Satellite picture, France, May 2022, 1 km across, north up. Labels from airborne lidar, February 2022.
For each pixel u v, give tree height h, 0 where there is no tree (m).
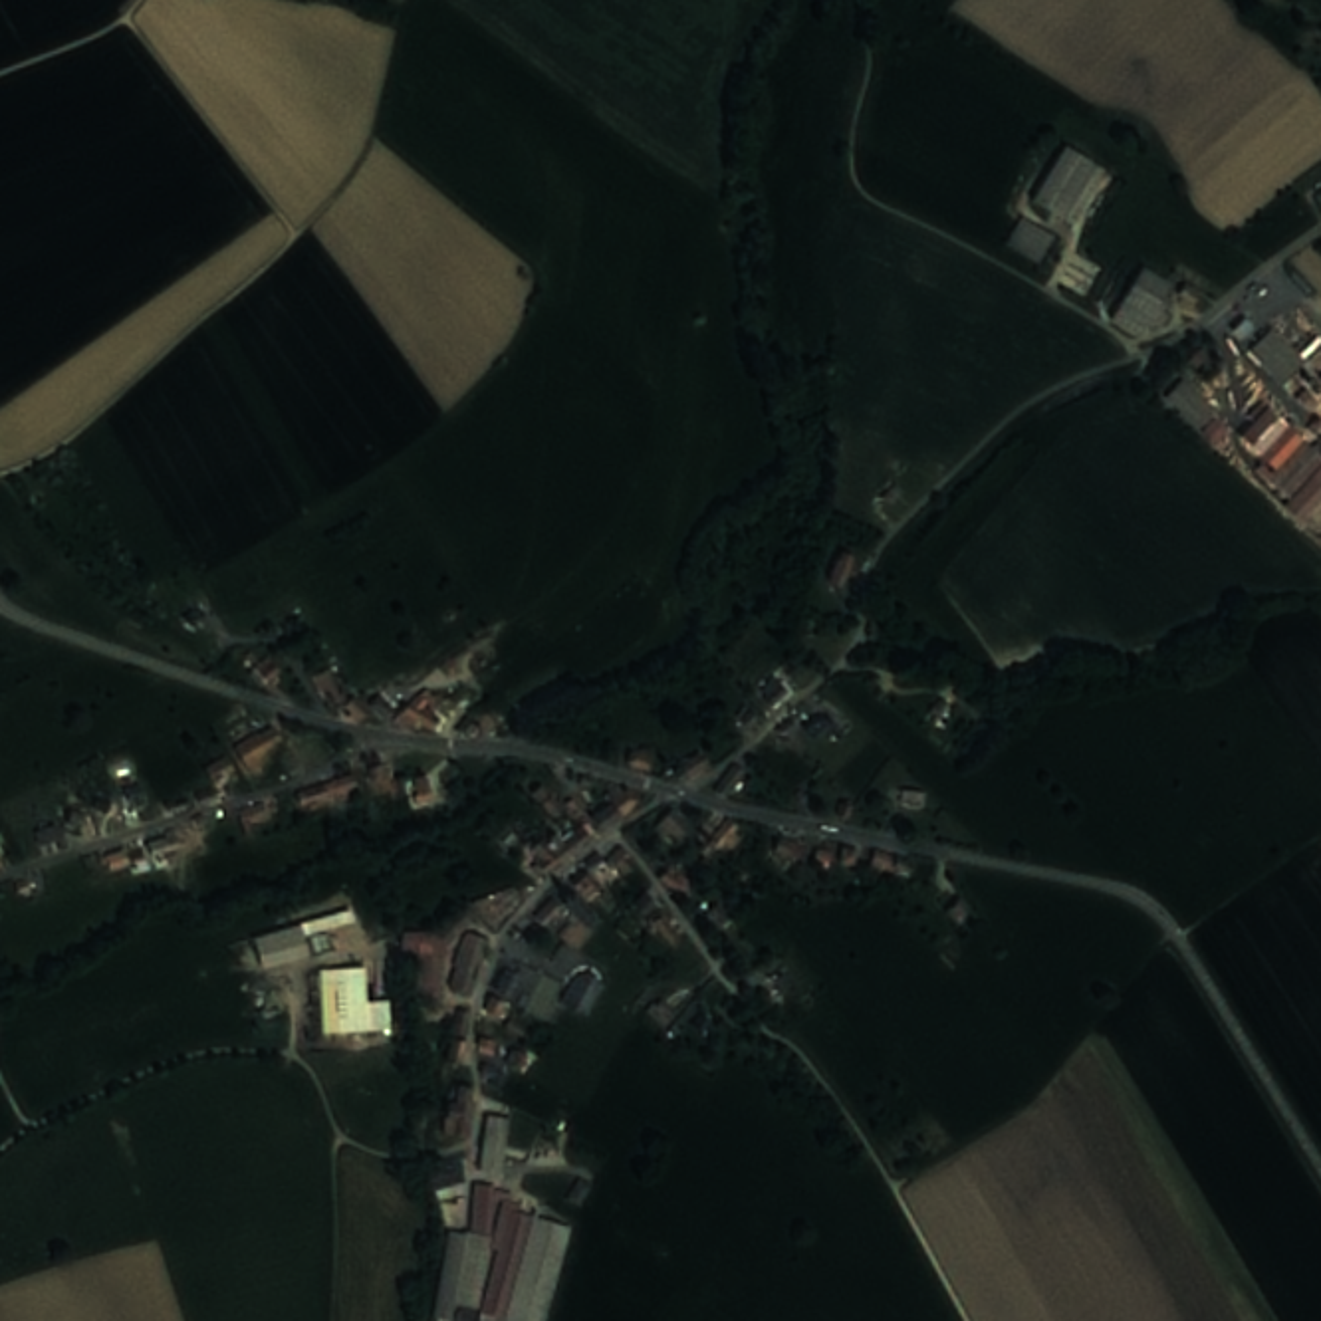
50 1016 0
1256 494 0
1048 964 0
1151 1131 0
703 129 0
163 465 0
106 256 0
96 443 0
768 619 19
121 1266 0
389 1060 0
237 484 0
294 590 0
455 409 0
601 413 0
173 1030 0
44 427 0
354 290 0
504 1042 0
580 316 0
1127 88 0
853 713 0
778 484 21
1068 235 0
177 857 0
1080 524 0
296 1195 0
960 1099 0
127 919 19
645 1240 0
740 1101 0
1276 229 0
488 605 0
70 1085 0
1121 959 0
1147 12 0
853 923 0
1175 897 0
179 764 0
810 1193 0
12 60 0
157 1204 0
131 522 0
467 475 0
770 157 0
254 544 0
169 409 0
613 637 0
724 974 9
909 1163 8
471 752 0
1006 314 0
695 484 0
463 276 0
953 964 0
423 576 0
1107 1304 0
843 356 0
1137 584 0
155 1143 0
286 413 0
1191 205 0
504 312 0
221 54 0
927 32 0
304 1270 0
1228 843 0
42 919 0
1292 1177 0
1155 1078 0
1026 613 0
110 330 0
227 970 0
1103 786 0
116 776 0
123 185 0
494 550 0
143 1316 0
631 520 0
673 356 0
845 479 0
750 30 0
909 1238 0
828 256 0
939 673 22
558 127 0
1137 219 0
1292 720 0
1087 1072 0
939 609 0
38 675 0
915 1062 0
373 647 0
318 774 0
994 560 0
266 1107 0
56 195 0
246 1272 0
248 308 0
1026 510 0
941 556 0
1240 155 0
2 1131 0
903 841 15
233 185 0
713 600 17
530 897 0
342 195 0
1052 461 0
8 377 0
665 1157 16
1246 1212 0
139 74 0
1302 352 0
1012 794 0
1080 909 0
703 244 0
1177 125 0
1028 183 0
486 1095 0
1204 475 0
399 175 0
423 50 0
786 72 0
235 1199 0
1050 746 0
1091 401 0
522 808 0
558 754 0
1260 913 0
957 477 0
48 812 0
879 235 0
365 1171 0
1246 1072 0
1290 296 0
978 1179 0
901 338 0
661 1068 0
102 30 0
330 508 0
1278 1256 0
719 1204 0
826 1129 7
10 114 0
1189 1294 0
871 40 22
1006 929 0
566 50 0
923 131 0
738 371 0
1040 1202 0
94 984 0
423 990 0
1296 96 0
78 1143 0
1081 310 0
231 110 0
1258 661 0
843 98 0
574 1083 0
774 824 0
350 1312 0
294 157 0
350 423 0
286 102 0
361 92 0
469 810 15
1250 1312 0
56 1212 0
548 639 0
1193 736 0
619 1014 0
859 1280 0
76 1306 0
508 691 0
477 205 0
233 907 20
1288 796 0
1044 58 0
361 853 23
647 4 0
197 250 0
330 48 0
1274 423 0
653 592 0
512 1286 0
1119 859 0
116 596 8
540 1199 0
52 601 0
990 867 0
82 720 17
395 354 0
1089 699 16
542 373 0
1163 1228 0
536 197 0
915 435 0
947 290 0
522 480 0
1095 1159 0
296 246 0
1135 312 0
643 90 0
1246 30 0
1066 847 0
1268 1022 0
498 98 0
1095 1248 0
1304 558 0
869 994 0
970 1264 0
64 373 0
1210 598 0
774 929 0
